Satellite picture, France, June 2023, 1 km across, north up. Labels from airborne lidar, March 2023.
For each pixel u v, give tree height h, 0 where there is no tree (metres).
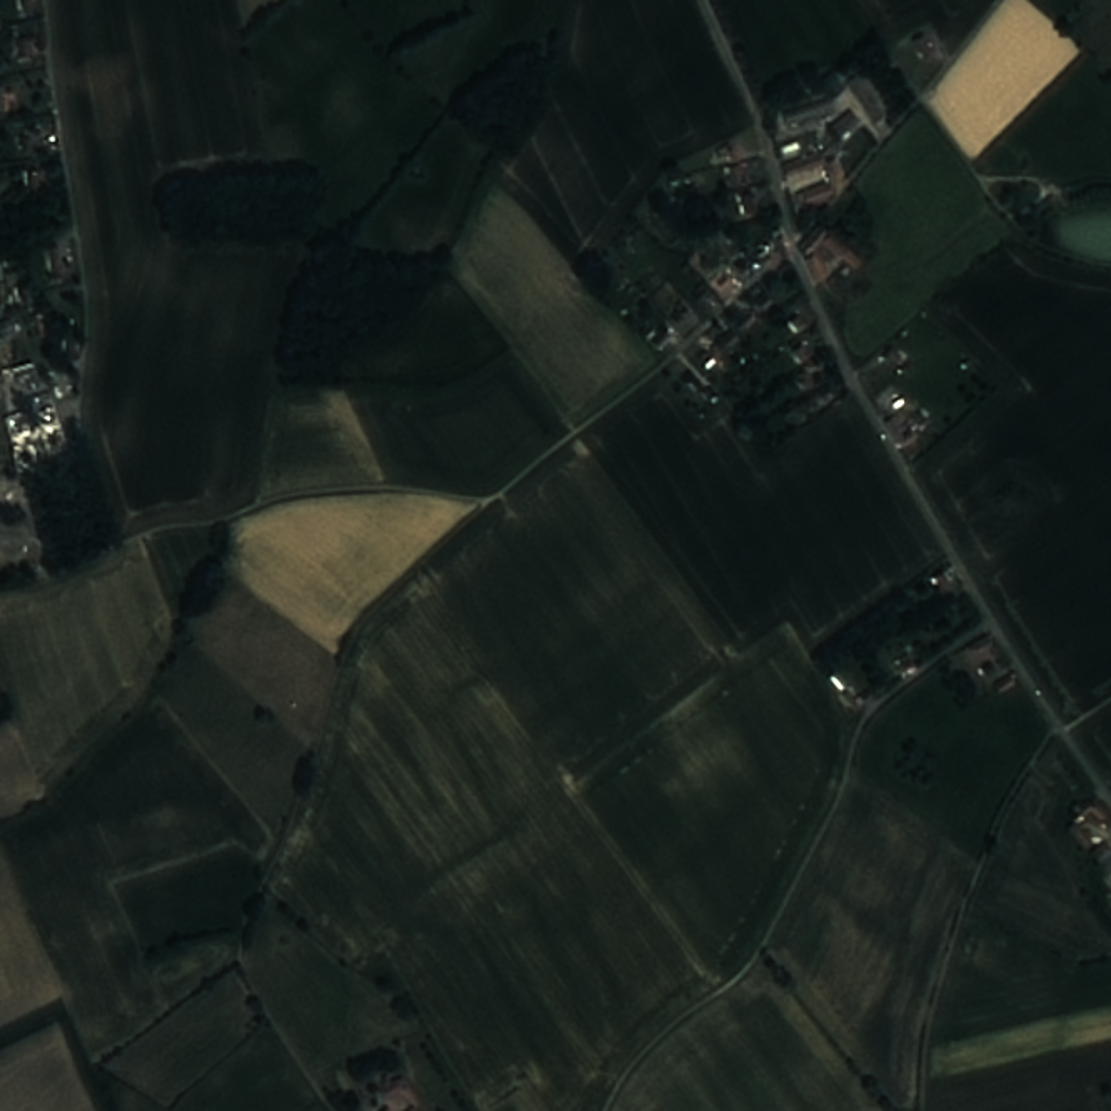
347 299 28
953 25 0
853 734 0
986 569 0
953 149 0
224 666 0
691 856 0
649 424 0
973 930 0
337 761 0
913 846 0
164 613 0
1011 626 0
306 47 0
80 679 0
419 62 0
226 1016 0
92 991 0
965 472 0
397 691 0
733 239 9
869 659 7
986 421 0
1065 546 0
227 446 0
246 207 25
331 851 0
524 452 0
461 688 0
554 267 0
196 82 0
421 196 0
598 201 0
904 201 0
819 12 0
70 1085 0
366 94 0
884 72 11
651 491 0
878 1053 0
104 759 0
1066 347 0
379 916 0
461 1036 0
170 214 24
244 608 0
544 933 0
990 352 0
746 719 0
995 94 0
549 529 0
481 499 0
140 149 0
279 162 0
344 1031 0
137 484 0
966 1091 0
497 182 0
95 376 0
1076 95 0
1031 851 0
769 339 8
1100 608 0
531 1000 0
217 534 9
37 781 0
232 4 0
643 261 0
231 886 0
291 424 0
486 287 0
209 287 0
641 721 0
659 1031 0
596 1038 0
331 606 0
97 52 0
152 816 0
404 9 0
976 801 0
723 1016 0
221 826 0
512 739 0
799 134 0
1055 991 0
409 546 0
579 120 0
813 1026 0
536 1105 0
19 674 0
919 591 13
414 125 0
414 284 25
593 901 0
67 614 0
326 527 0
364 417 0
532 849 0
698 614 0
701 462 0
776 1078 0
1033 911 0
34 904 0
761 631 0
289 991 0
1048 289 0
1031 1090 0
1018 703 0
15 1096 0
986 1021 0
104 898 0
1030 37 0
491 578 0
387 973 0
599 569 0
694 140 0
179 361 0
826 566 0
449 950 0
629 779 0
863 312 0
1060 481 0
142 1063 0
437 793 0
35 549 0
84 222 0
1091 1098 0
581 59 0
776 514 0
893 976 0
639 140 0
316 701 0
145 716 0
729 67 0
